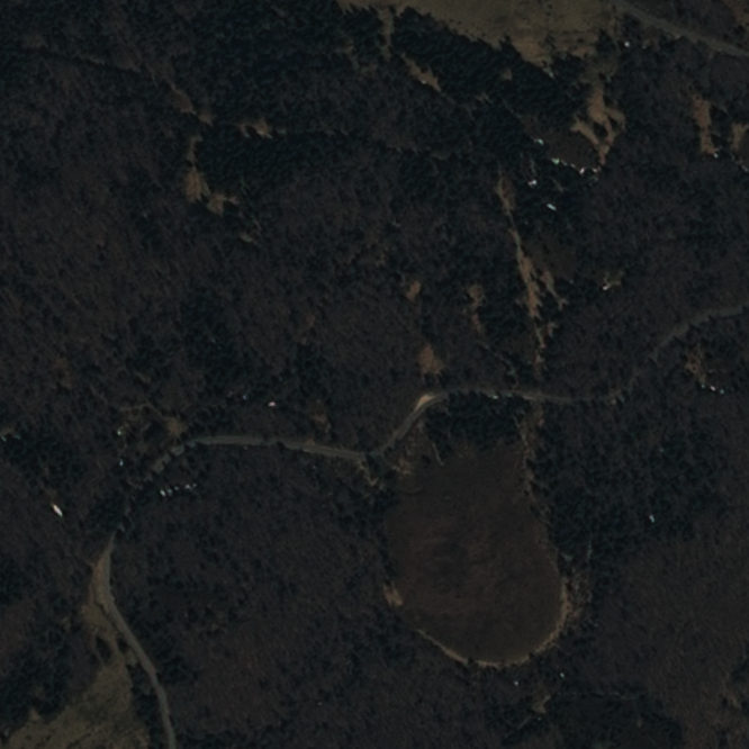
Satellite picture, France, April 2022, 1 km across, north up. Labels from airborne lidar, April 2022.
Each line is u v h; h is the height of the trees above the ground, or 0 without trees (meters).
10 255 18
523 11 0
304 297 18
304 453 10
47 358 13
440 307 13
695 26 7
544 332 0
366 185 14
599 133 8
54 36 19
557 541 8
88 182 14
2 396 13
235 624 10
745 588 16
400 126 17
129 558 12
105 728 0
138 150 15
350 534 15
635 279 11
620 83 7
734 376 10
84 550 9
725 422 12
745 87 14
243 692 13
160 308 9
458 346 12
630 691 11
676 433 12
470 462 0
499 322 19
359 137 20
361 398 15
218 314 22
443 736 9
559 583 0
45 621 10
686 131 15
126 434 0
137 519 14
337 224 17
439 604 0
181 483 0
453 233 21
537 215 13
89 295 16
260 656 12
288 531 18
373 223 16
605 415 14
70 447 14
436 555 0
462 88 17
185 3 19
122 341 12
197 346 15
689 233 11
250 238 0
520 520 0
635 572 13
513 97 11
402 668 13
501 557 0
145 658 0
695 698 15
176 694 8
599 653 12
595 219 17
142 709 10
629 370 17
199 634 9
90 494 14
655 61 13
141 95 17
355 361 16
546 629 0
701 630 16
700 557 12
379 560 15
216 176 19
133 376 11
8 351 15
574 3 0
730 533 11
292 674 12
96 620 0
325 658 16
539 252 0
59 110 18
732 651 19
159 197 13
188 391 14
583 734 8
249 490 15
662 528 12
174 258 14
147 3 20
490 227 15
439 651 9
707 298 17
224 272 16
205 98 19
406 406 11
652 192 14
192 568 12
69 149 14
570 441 13
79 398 12
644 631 13
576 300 19
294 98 20
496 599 0
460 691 14
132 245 16
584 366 14
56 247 18
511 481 0
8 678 15
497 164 15
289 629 15
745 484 12
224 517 13
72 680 10
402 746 12
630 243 15
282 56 12
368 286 16
